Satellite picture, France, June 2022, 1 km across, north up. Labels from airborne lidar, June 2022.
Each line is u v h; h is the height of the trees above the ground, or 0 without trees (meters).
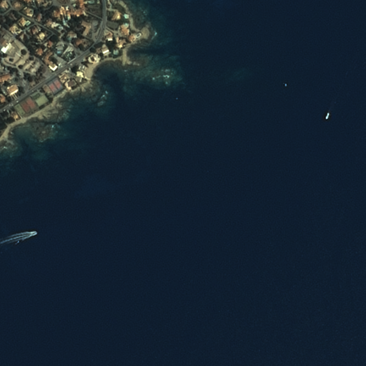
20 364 0
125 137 0
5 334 0
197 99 0
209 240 0
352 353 0
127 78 0
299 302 0
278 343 0
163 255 0
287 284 0
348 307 0
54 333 0
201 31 0
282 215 0
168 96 0
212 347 0
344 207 0
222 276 0
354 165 0
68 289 0
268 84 0
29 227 0
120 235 0
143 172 0
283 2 0
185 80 0
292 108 0
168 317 0
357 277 0
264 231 0
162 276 0
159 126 0
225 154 0
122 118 0
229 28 0
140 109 0
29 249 0
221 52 0
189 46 0
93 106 0
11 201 0
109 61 0
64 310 0
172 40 0
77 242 0
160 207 0
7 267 0
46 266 0
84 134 0
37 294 0
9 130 0
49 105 0
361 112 0
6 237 0
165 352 0
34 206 0
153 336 0
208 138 0
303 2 0
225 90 0
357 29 0
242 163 0
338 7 0
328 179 0
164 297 0
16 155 0
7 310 0
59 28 6
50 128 0
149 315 0
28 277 0
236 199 0
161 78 0
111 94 0
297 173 0
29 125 0
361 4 0
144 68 0
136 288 0
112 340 0
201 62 0
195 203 0
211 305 0
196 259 0
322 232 0
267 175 0
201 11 0
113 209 0
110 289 0
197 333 0
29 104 0
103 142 0
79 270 0
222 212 0
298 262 0
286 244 0
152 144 0
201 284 0
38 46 11
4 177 0
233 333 0
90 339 0
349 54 0
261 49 0
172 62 0
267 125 0
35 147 0
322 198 0
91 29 0
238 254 0
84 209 0
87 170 0
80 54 0
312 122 0
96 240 0
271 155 0
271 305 0
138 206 0
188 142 0
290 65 0
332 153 0
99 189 0
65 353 0
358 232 0
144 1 0
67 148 0
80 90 0
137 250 0
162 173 0
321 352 0
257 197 0
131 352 0
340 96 0
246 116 0
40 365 0
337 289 0
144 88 0
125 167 0
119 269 0
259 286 0
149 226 0
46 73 0
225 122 0
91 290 0
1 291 0
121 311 0
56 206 0
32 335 0
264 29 0
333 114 0
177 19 0
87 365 0
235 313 0
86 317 0
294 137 0
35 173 0
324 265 0
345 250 0
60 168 0
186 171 0
